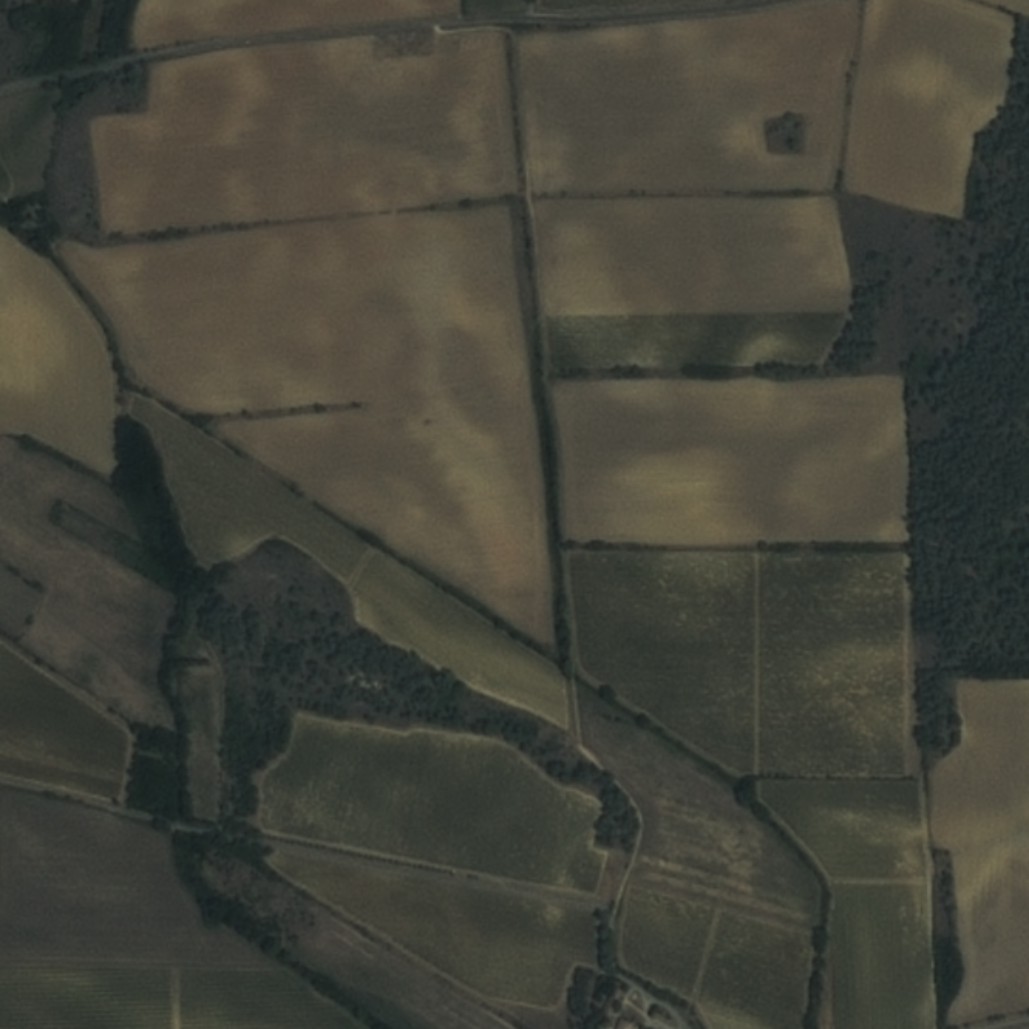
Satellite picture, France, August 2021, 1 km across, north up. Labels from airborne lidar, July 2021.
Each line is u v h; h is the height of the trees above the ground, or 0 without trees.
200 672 0
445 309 0
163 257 0
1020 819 0
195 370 0
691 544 0
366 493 0
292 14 0
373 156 0
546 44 0
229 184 0
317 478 0
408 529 0
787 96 0
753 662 0
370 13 0
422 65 0
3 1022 0
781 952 0
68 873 0
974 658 6
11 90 0
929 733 11
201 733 0
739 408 0
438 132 0
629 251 0
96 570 0
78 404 0
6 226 10
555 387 0
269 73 0
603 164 0
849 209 0
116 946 0
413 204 0
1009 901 0
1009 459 13
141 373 0
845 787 0
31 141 0
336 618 9
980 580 10
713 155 0
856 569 0
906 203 0
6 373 0
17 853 0
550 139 0
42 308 0
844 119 0
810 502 0
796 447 0
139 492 11
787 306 0
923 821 0
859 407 0
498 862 0
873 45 0
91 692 0
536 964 0
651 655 0
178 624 15
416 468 0
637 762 0
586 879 0
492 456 0
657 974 0
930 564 13
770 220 0
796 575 0
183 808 11
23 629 0
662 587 0
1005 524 13
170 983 0
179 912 0
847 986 0
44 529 0
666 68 0
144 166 0
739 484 0
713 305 0
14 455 0
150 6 0
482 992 0
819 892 0
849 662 0
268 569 0
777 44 0
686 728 0
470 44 0
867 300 15
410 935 0
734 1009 0
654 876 0
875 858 0
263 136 0
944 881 6
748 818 0
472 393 0
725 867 0
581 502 0
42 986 0
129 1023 0
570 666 12
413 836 0
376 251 0
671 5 0
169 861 0
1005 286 12
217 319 0
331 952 0
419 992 0
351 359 0
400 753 0
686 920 0
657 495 0
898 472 0
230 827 9
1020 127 12
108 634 0
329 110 0
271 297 0
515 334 0
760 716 0
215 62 0
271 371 0
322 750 0
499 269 0
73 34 11
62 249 0
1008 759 0
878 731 0
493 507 0
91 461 0
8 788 0
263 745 7
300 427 0
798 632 0
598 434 0
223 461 0
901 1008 0
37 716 0
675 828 0
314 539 0
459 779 0
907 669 0
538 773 0
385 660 14
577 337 0
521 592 0
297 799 0
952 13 0
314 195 0
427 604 0
